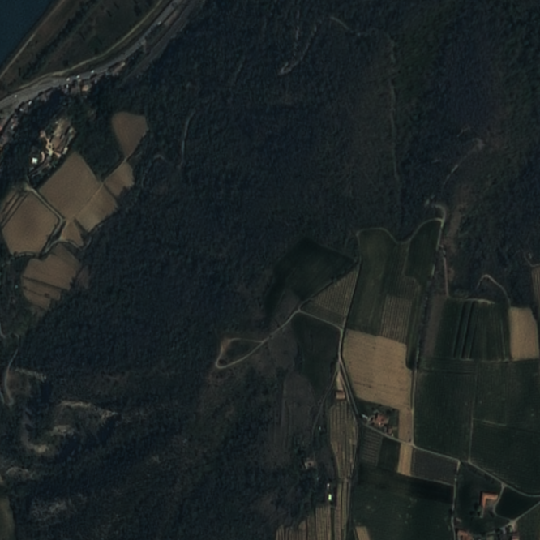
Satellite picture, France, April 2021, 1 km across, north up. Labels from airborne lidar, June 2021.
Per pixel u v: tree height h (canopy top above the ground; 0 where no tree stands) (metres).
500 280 12
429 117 13
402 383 0
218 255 11
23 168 11
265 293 6
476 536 0
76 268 0
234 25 8
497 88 10
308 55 6
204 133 8
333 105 10
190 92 9
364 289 0
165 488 8
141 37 0
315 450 7
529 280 10
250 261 10
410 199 14
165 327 9
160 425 9
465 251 11
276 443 0
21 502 6
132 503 11
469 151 12
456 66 14
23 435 0
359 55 13
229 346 0
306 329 0
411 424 0
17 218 0
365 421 17
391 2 16
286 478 26
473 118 13
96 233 9
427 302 13
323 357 0
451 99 12
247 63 8
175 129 7
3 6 0
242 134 9
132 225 17
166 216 11
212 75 11
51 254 0
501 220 29
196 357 8
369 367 0
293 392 0
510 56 18
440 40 27
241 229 11
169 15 0
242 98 14
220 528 10
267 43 11
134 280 9
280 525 0
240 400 15
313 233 12
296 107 11
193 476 12
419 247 0
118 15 0
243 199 9
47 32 0
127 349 7
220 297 7
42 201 0
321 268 0
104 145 10
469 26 13
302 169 14
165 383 6
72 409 11
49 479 12
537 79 15
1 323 7
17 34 0
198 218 6
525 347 0
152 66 10
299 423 0
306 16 9
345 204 11
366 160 11
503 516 0
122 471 6
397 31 14
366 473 0
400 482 0
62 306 6
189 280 9
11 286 7
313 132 9
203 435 8
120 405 10
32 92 0
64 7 0
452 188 12
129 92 11
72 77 0
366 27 19
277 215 16
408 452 0
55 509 6
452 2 6
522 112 11
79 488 6
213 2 17
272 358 0
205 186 7
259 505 0
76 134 6
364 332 0
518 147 10
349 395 0
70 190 0
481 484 0
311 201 12
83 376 6
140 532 9
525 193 8
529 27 16
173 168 9
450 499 0
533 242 9
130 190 9
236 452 6
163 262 13
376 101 11
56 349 9
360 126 10
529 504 0
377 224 9
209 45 11
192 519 10
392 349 0
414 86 10
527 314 0
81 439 13
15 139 7
